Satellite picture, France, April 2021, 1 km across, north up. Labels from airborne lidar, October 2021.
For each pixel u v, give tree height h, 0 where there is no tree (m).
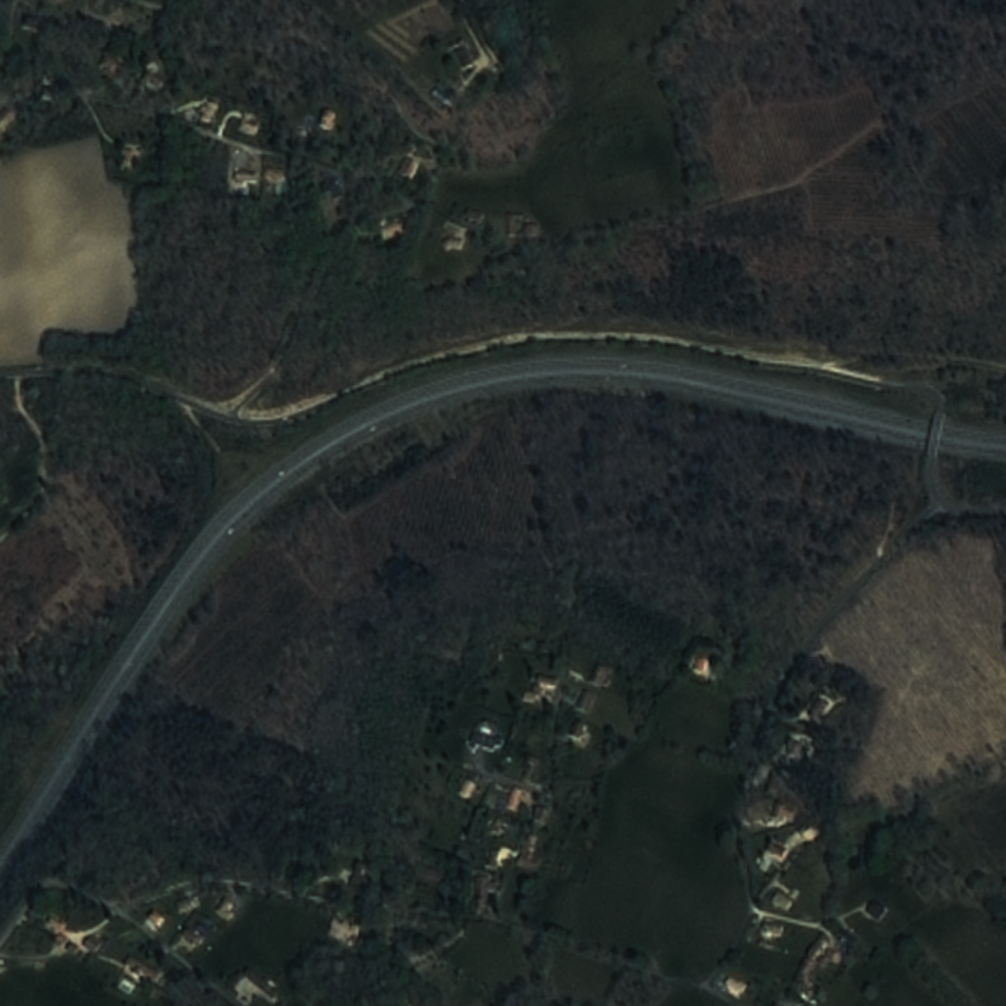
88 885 13
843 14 5
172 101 11
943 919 0
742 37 11
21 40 0
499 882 6
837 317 7
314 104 15
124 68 13
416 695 13
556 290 18
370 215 16
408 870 20
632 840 0
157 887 19
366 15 8
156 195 20
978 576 0
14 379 0
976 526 9
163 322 13
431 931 5
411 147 9
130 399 16
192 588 0
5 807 17
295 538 8
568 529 15
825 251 8
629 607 17
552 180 0
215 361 16
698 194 18
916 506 0
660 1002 11
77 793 10
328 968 21
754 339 11
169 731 22
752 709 17
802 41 7
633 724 7
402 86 16
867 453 14
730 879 0
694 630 8
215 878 20
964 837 0
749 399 0
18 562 0
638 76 0
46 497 9
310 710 19
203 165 13
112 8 0
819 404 0
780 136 0
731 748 14
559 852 5
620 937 0
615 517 16
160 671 10
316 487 9
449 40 0
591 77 0
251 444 18
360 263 19
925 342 12
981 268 17
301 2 9
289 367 18
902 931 0
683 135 15
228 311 13
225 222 9
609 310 17
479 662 14
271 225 21
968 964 0
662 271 9
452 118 15
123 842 19
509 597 19
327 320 13
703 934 0
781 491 13
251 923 0
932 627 0
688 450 12
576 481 11
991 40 9
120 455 23
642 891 0
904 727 0
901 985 0
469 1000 0
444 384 0
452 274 0
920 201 11
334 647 19
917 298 12
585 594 17
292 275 20
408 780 10
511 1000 24
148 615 0
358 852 22
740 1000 0
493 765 0
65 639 17
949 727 0
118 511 12
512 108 16
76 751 0
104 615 11
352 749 18
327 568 11
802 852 9
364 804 17
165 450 18
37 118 18
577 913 0
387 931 21
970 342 11
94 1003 0
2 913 15
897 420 0
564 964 0
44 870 9
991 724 0
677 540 7
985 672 0
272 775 19
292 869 13
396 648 16
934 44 8
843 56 9
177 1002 28
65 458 15
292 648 12
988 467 8
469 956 0
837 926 7
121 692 0
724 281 18
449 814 8
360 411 0
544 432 7
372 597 12
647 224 12
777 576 13
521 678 0
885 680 0
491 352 11
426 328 21
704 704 0
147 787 15
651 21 0
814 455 13
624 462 8
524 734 0
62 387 21
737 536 11
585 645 12
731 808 0
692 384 0
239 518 0
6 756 15
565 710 8
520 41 8
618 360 0
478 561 12
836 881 18
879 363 14
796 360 0
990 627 0
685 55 9
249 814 15
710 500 11
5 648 11
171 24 16
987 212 21
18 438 13
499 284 18
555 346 9
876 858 21
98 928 0
